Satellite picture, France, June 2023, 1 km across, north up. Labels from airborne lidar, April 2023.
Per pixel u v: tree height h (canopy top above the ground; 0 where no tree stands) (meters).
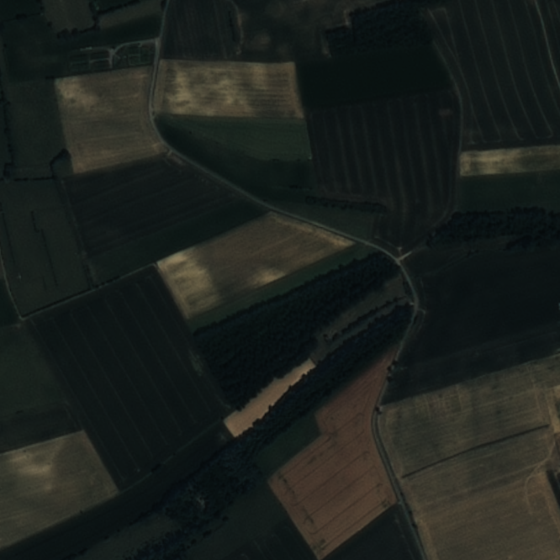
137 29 0
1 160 0
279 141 0
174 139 0
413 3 17
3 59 0
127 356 0
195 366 0
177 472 0
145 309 0
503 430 0
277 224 0
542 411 0
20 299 0
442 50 0
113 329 0
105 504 0
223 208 0
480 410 0
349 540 0
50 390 0
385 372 0
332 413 0
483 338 0
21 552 0
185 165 0
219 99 0
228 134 0
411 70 0
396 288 0
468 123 0
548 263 0
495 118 0
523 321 0
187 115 0
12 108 0
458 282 0
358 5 0
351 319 0
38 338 0
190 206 0
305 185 0
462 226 15
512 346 0
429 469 0
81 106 0
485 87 0
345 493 0
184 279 0
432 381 0
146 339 0
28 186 0
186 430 0
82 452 0
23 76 0
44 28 0
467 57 0
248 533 0
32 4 0
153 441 0
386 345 7
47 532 0
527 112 0
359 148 0
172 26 0
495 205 0
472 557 0
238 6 0
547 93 0
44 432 0
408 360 0
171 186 0
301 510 0
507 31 0
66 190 0
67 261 0
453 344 0
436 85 0
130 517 0
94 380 0
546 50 0
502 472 0
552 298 0
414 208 0
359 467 0
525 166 0
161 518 0
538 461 0
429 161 0
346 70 0
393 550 0
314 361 0
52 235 0
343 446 0
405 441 0
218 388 0
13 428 0
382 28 17
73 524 0
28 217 0
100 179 0
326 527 0
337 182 0
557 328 0
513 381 0
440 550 0
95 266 0
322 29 0
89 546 0
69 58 0
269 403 0
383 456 0
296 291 12
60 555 0
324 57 0
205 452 0
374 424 0
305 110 0
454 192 0
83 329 0
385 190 0
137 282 0
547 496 0
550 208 0
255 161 0
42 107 0
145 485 0
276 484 0
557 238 28
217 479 6
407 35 7
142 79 0
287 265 0
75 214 0
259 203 0
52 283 0
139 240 0
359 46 11
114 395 0
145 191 0
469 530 0
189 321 0
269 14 0
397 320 22
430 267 0
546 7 0
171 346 0
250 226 0
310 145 0
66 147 0
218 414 0
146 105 0
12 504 0
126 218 0
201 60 0
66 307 0
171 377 0
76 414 0
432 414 0
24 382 0
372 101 0
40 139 0
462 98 0
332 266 0
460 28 0
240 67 0
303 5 0
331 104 0
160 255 0
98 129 0
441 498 0
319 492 0
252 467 21
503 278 0
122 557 0
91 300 0
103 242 0
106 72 0
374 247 0
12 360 0
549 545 0
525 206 0
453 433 0
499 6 0
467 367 0
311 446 0
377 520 0
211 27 0
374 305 0
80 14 0
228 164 0
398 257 0
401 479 0
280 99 0
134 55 0
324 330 0
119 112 0
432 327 0
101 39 0
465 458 0
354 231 0
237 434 0
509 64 0
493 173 0
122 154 0
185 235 0
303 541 0
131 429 0
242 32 0
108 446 0
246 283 0
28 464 0
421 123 0
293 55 0
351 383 0
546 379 0
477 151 0
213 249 0
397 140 0
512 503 0
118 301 0
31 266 0
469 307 0
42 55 0
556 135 0
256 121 0
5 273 0
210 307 0
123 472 0
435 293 0
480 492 0
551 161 0
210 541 0
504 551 0
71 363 0
